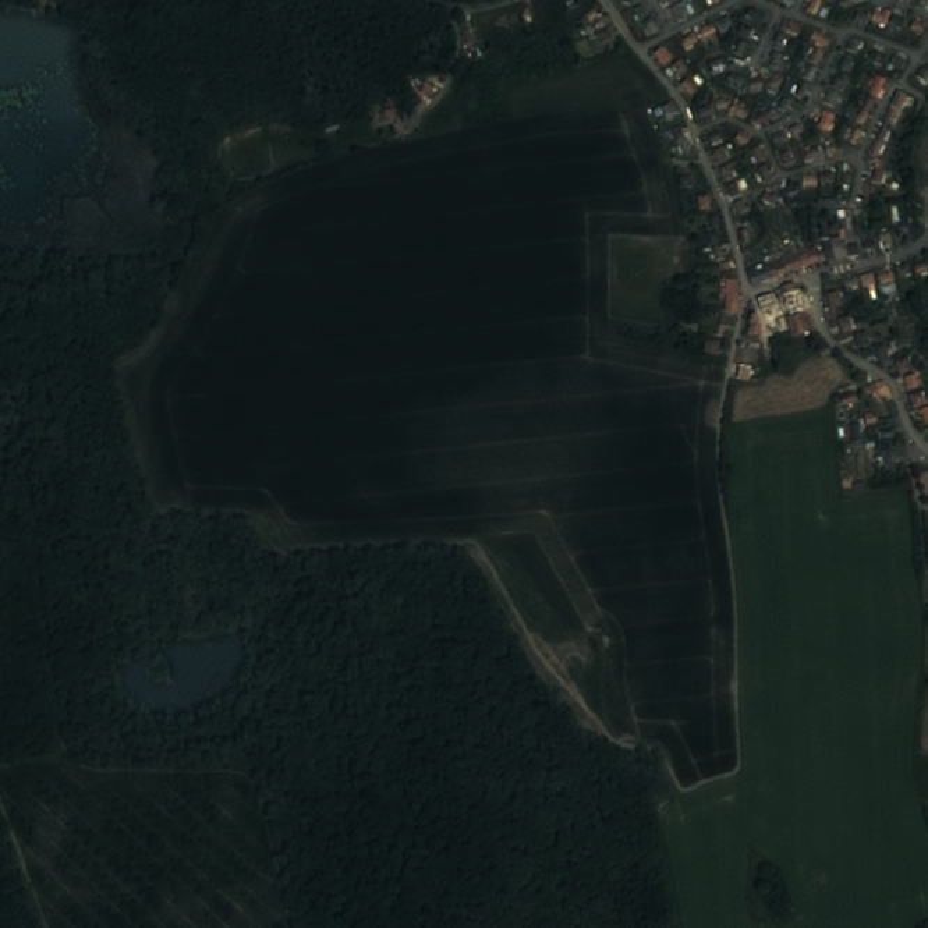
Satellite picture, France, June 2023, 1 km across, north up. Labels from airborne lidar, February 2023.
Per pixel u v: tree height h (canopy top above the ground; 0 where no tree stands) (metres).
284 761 23
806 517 0
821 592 0
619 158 0
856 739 0
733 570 0
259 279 0
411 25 18
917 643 0
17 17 0
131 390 0
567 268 0
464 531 0
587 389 0
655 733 0
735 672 0
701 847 0
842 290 7
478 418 0
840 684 0
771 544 0
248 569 26
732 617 0
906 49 0
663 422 0
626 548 0
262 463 0
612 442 0
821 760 0
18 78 0
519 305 0
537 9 0
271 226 0
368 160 0
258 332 0
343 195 0
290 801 21
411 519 0
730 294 0
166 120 25
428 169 0
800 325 0
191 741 14
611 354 0
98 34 17
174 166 23
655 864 19
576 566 0
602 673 0
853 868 0
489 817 21
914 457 0
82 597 23
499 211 0
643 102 0
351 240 0
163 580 25
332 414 0
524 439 0
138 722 20
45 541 22
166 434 0
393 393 0
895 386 0
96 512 26
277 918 0
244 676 20
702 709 0
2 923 22
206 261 0
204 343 0
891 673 0
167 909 0
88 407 27
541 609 0
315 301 0
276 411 0
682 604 0
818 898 0
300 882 22
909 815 0
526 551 0
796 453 0
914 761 0
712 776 0
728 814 0
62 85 0
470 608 24
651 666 0
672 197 0
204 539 25
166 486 0
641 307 0
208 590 21
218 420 0
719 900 0
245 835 0
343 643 15
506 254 0
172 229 7
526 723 24
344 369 0
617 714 0
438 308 0
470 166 0
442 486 0
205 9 23
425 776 26
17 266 16
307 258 0
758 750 0
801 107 0
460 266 0
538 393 0
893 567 0
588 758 23
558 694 17
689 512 0
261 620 20
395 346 0
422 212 0
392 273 0
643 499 0
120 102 16
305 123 18
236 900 0
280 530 0
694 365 0
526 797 22
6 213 0
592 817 23
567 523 0
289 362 0
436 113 0
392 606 22
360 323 0
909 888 0
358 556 15
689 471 0
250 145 0
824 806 0
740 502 0
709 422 0
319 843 23
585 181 0
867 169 0
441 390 0
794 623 0
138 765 20
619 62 0
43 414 22
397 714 23
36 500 22
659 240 0
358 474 0
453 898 24
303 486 0
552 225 0
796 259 0
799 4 0
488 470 0
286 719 22
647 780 23
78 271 8
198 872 0
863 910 0
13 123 0
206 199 10
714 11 0
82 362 25
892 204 8
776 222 0
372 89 21
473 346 0
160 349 0
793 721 0
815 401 0
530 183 0
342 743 25
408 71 12
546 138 0
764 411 0
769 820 0
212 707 20
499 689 23
